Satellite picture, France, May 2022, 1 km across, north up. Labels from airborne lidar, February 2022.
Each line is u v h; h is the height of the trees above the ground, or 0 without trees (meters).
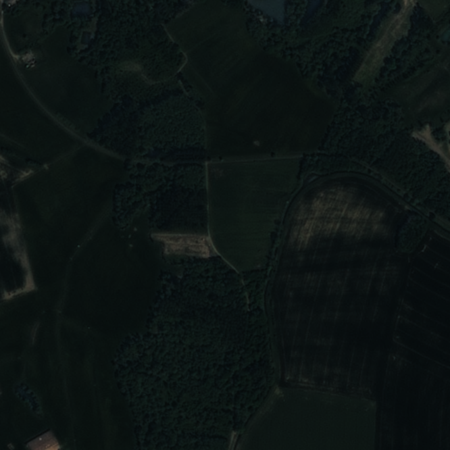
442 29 0
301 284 0
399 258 0
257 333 14
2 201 0
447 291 0
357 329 0
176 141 22
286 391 0
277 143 0
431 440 0
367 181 0
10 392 0
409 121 0
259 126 0
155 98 0
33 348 0
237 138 0
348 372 0
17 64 0
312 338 0
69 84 0
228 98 0
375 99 23
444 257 0
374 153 19
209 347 18
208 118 0
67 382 0
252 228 0
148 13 24
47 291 0
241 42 0
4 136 0
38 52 0
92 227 0
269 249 0
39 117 0
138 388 21
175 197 34
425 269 0
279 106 0
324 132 0
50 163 0
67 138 0
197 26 0
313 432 0
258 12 10
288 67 0
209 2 0
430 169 11
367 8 17
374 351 0
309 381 0
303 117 0
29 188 0
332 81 35
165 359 16
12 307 0
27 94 0
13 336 0
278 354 0
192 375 18
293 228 0
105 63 15
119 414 0
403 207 0
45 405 0
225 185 0
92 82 0
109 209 0
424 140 0
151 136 28
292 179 0
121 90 0
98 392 0
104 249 0
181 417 16
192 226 0
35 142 0
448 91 0
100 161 0
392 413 0
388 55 0
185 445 22
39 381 0
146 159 17
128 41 19
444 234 0
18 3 10
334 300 0
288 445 0
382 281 0
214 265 19
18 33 0
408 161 15
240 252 0
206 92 0
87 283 0
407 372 0
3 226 0
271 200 0
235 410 12
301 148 0
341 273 0
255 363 17
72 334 0
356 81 0
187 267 11
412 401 0
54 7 14
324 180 0
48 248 0
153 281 0
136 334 0
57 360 0
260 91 0
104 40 15
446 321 0
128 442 0
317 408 0
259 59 0
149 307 0
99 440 0
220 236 0
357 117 21
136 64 0
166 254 0
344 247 0
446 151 0
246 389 16
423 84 0
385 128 14
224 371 27
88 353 0
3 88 0
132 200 22
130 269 0
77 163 0
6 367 0
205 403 11
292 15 20
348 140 20
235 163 0
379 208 0
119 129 30
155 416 23
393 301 0
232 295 23
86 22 20
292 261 0
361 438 0
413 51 26
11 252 0
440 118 0
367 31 18
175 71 0
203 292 22
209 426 0
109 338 0
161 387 22
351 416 0
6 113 0
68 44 0
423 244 0
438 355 0
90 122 0
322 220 0
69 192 0
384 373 0
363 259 0
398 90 0
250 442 0
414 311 0
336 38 13
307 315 0
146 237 0
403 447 0
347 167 19
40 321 0
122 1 29
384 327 0
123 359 14
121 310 0
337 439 0
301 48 21
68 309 0
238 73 0
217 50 0
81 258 0
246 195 0
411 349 0
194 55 0
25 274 0
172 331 18
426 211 18
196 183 22
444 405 0
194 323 14
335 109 0
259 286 14
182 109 27
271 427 0
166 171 22
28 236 0
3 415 0
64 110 0
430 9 0
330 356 0
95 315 0
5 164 0
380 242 0
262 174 0
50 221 0
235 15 0
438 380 0
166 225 29
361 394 0
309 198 0
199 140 21
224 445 19
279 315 0
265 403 0
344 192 0
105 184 0
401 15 0
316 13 17
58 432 0
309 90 0
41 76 0
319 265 0
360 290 0
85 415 0
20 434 0
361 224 0
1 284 0
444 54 0
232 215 0
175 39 0
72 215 0
